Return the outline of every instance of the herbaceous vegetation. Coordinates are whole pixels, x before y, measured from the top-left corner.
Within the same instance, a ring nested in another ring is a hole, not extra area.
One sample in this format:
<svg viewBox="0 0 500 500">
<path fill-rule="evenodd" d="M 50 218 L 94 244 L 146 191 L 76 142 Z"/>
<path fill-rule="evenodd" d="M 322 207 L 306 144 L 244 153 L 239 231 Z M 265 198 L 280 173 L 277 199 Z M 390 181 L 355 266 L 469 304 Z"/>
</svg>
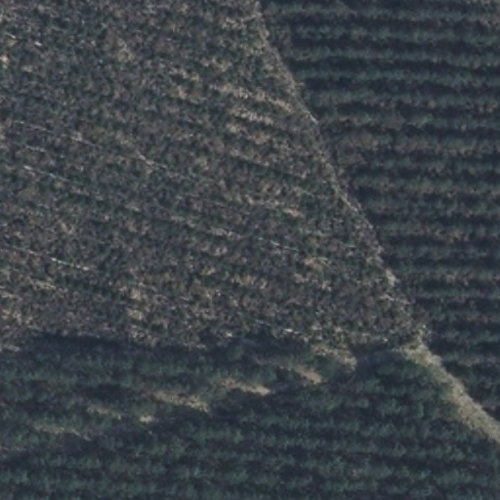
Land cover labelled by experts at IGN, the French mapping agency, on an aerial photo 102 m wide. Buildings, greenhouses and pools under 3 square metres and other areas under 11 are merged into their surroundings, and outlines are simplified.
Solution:
<svg viewBox="0 0 500 500">
<path fill-rule="evenodd" d="M 404 346 L 416 348 L 424 344 L 432 336 L 432 328 L 410 316 L 410 307 L 406 305 L 406 299 L 400 295 L 383 293 L 381 299 L 395 303 L 396 324 L 402 332 L 406 330 L 414 336 L 414 342 L 408 342 Z"/>
<path fill-rule="evenodd" d="M 330 156 L 324 156 L 318 162 L 322 162 L 324 172 L 330 176 L 334 195 L 344 201 L 344 207 L 350 213 L 357 213 L 361 203 L 357 199 L 352 199 L 348 191 L 338 184 Z"/>
<path fill-rule="evenodd" d="M 0 365 L 23 367 L 29 361 L 29 357 L 37 352 L 57 352 L 62 355 L 98 354 L 133 357 L 145 361 L 180 361 L 187 365 L 211 365 L 207 350 L 195 348 L 184 348 L 174 342 L 139 344 L 135 338 L 115 340 L 102 336 L 64 336 L 61 332 L 49 330 L 43 330 L 41 334 L 35 334 L 31 338 L 23 338 L 20 346 L 0 344 Z"/>
<path fill-rule="evenodd" d="M 383 262 L 383 246 L 375 240 L 373 225 L 365 217 L 361 217 L 355 223 L 357 236 L 369 248 L 369 256 L 365 262 L 373 266 Z"/>
<path fill-rule="evenodd" d="M 355 357 L 350 352 L 330 348 L 326 344 L 316 344 L 312 346 L 312 350 L 318 355 L 330 355 L 340 363 L 355 365 Z"/>
<path fill-rule="evenodd" d="M 234 348 L 256 352 L 305 352 L 305 342 L 311 336 L 305 336 L 303 330 L 285 326 L 277 326 L 271 332 L 270 328 L 260 328 L 256 332 L 248 332 L 246 336 L 232 336 L 229 330 L 225 336 L 227 338 L 230 340 L 225 344 L 225 350 L 229 354 Z"/>
</svg>

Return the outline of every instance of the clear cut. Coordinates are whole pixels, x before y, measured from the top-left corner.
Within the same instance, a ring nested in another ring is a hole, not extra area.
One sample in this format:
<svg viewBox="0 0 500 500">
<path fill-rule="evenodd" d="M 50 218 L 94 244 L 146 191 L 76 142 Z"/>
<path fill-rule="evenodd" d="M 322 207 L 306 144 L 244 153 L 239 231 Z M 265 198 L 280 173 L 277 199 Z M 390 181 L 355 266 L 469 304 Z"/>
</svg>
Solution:
<svg viewBox="0 0 500 500">
<path fill-rule="evenodd" d="M 248 20 L 252 20 L 254 29 L 260 35 L 260 39 L 252 45 L 238 41 L 240 29 L 246 29 Z M 330 348 L 350 352 L 354 350 L 355 344 L 363 342 L 385 344 L 389 338 L 402 332 L 396 324 L 395 303 L 381 299 L 383 293 L 400 295 L 396 279 L 395 273 L 391 270 L 383 262 L 373 266 L 365 262 L 369 256 L 369 248 L 357 236 L 355 223 L 361 217 L 365 217 L 365 213 L 369 213 L 371 209 L 367 207 L 367 199 L 361 203 L 357 213 L 350 213 L 344 207 L 344 201 L 334 195 L 330 176 L 324 172 L 322 162 L 318 162 L 324 156 L 330 156 L 324 139 L 320 137 L 320 125 L 316 115 L 301 102 L 293 72 L 283 64 L 279 51 L 271 47 L 268 41 L 270 35 L 260 12 L 260 0 L 0 0 L 0 344 L 20 346 L 23 338 L 31 338 L 35 334 L 41 334 L 43 330 L 49 330 L 61 332 L 64 336 L 102 336 L 115 340 L 135 338 L 139 344 L 174 342 L 184 348 L 195 348 L 199 342 L 199 332 L 203 328 L 211 330 L 219 340 L 227 338 L 225 336 L 229 330 L 232 336 L 246 336 L 248 332 L 256 332 L 260 328 L 270 328 L 271 332 L 277 326 L 285 326 L 303 330 L 305 336 L 311 336 L 305 342 L 305 352 L 312 350 L 312 346 L 316 344 L 326 344 Z"/>
</svg>

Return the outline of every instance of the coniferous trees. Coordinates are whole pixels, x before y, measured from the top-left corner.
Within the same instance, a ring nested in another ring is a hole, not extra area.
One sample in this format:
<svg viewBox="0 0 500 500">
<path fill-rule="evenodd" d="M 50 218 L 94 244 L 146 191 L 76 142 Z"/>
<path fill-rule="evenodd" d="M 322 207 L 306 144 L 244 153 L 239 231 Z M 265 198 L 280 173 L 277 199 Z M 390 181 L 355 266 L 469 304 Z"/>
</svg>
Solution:
<svg viewBox="0 0 500 500">
<path fill-rule="evenodd" d="M 373 92 L 367 88 L 330 88 L 320 92 L 320 104 L 330 100 L 365 100 L 379 105 L 379 113 L 350 113 L 352 123 L 387 123 L 393 125 L 393 129 L 400 125 L 428 123 L 439 127 L 500 129 L 500 119 L 439 117 L 428 113 L 398 115 L 396 104 L 424 102 L 430 107 L 500 107 L 500 96 L 443 94 L 439 98 L 424 92 Z"/>
<path fill-rule="evenodd" d="M 129 369 L 133 357 L 98 354 L 62 355 L 57 352 L 53 355 L 53 361 L 61 363 L 59 371 L 45 367 L 23 367 L 0 365 L 0 379 L 41 379 L 47 383 L 84 387 L 111 385 L 143 389 L 156 395 L 156 391 L 172 391 L 174 387 L 168 383 L 145 381 L 148 373 L 191 375 L 189 383 L 184 383 L 180 387 L 193 395 L 199 396 L 209 404 L 213 398 L 225 398 L 229 393 L 227 377 L 266 387 L 275 379 L 273 373 L 277 369 L 297 369 L 299 365 L 305 365 L 309 369 L 314 369 L 318 355 L 312 350 L 305 352 L 256 352 L 250 357 L 256 363 L 254 371 L 223 369 L 211 365 L 187 365 L 180 361 L 145 361 L 139 373 L 133 377 L 111 377 L 111 369 Z"/>
<path fill-rule="evenodd" d="M 76 406 L 76 396 L 55 395 L 43 391 L 39 400 L 61 402 L 64 408 Z"/>
<path fill-rule="evenodd" d="M 385 344 L 391 348 L 404 346 L 408 342 L 414 342 L 414 336 L 406 330 L 402 332 L 389 338 Z"/>
<path fill-rule="evenodd" d="M 473 287 L 449 287 L 432 289 L 432 297 L 479 297 L 479 289 Z"/>
<path fill-rule="evenodd" d="M 289 6 L 293 14 L 348 16 L 346 4 L 324 6 L 291 2 Z"/>
<path fill-rule="evenodd" d="M 221 490 L 211 486 L 184 488 L 182 484 L 170 484 L 168 494 L 211 500 L 322 500 L 316 496 L 287 498 L 273 494 Z"/>
<path fill-rule="evenodd" d="M 490 12 L 449 12 L 410 8 L 396 10 L 367 6 L 361 8 L 361 16 L 365 18 L 389 16 L 410 20 L 486 23 L 494 16 Z"/>
<path fill-rule="evenodd" d="M 381 189 L 381 195 L 367 199 L 367 207 L 371 209 L 381 211 L 385 207 L 393 207 L 400 209 L 404 215 L 410 215 L 412 223 L 385 223 L 387 232 L 418 232 L 420 215 L 451 215 L 461 211 L 463 203 L 457 201 L 459 191 L 482 193 L 492 191 L 492 187 L 496 186 L 492 182 L 465 182 L 463 170 L 471 174 L 500 172 L 500 139 L 437 139 L 432 135 L 422 135 L 418 139 L 406 135 L 396 137 L 396 150 L 418 150 L 422 146 L 428 152 L 428 160 L 385 160 L 387 168 L 416 168 L 420 170 L 420 174 L 410 180 L 389 180 L 381 174 L 373 176 L 373 186 Z"/>
<path fill-rule="evenodd" d="M 90 426 L 92 430 L 107 430 L 115 418 L 135 418 L 141 422 L 150 422 L 154 412 L 152 404 L 137 404 L 121 396 L 111 400 L 90 398 L 90 418 L 80 420 L 80 416 L 39 414 L 33 432 L 0 430 L 0 445 L 23 447 L 35 443 L 55 443 L 61 434 L 74 432 L 80 426 Z"/>
<path fill-rule="evenodd" d="M 174 475 L 182 479 L 211 477 L 238 482 L 246 479 L 248 482 L 277 484 L 291 488 L 311 484 L 311 477 L 287 479 L 277 475 L 246 473 L 244 469 L 219 471 L 213 467 L 176 467 Z"/>
<path fill-rule="evenodd" d="M 297 395 L 297 402 L 309 408 L 369 406 L 367 398 L 354 400 L 330 395 L 324 398 L 301 391 Z"/>
<path fill-rule="evenodd" d="M 451 254 L 451 246 L 420 244 L 418 256 L 437 258 Z"/>
<path fill-rule="evenodd" d="M 156 484 L 113 482 L 105 477 L 78 479 L 59 475 L 51 477 L 45 473 L 29 475 L 23 471 L 0 471 L 0 482 L 10 480 L 45 486 L 41 496 L 25 494 L 23 500 L 78 500 L 82 488 L 104 488 L 107 492 L 139 494 L 154 492 Z"/>
<path fill-rule="evenodd" d="M 437 305 L 430 307 L 432 314 L 436 314 L 437 318 L 477 318 L 482 322 L 500 322 L 500 311 L 447 309 Z"/>
<path fill-rule="evenodd" d="M 412 72 L 377 68 L 301 68 L 307 78 L 437 82 L 445 86 L 469 82 L 500 86 L 500 76 L 430 70 Z"/>
<path fill-rule="evenodd" d="M 500 43 L 500 33 L 486 35 L 465 31 L 467 43 Z"/>
<path fill-rule="evenodd" d="M 463 385 L 500 385 L 500 375 L 463 373 L 459 379 Z"/>
<path fill-rule="evenodd" d="M 344 146 L 369 146 L 371 150 L 375 150 L 377 146 L 391 143 L 391 135 L 365 133 L 352 137 L 350 133 L 346 133 L 346 137 L 342 139 Z"/>
<path fill-rule="evenodd" d="M 445 281 L 449 277 L 500 279 L 500 270 L 475 266 L 430 268 L 416 264 L 396 264 L 391 270 L 395 273 L 396 279 L 402 275 L 445 277 Z"/>
<path fill-rule="evenodd" d="M 467 256 L 500 258 L 500 246 L 467 248 Z"/>
<path fill-rule="evenodd" d="M 477 344 L 500 342 L 500 332 L 477 332 L 473 336 L 473 342 Z"/>
<path fill-rule="evenodd" d="M 381 393 L 385 398 L 381 408 L 387 412 L 404 412 L 404 406 L 396 402 L 396 398 L 398 395 L 410 395 L 414 400 L 416 416 L 430 416 L 432 420 L 459 418 L 457 404 L 451 400 L 451 387 L 434 381 L 428 365 L 414 363 L 406 357 L 402 363 L 385 365 L 387 373 L 395 373 L 402 377 L 420 377 L 420 389 L 408 385 L 383 385 L 371 379 L 346 377 L 342 383 L 346 389 L 352 391 Z"/>
<path fill-rule="evenodd" d="M 500 354 L 447 352 L 439 355 L 443 365 L 449 361 L 500 365 Z"/>
<path fill-rule="evenodd" d="M 312 467 L 316 471 L 344 469 L 340 451 L 361 451 L 363 461 L 359 463 L 361 473 L 357 475 L 357 479 L 324 480 L 324 490 L 375 490 L 379 480 L 393 475 L 420 480 L 420 488 L 416 488 L 412 494 L 414 498 L 428 498 L 441 482 L 447 488 L 447 496 L 453 500 L 500 500 L 500 494 L 459 492 L 457 482 L 479 482 L 492 486 L 500 484 L 500 475 L 469 473 L 461 469 L 437 473 L 428 469 L 373 465 L 369 463 L 369 459 L 373 453 L 396 457 L 449 457 L 490 463 L 500 467 L 500 443 L 490 439 L 482 430 L 471 430 L 469 426 L 465 426 L 463 430 L 443 428 L 439 432 L 439 443 L 434 447 L 402 447 L 398 443 L 377 445 L 379 439 L 387 434 L 414 436 L 414 426 L 379 422 L 367 424 L 365 420 L 334 418 L 309 420 L 303 416 L 271 412 L 268 414 L 244 410 L 236 416 L 238 422 L 262 422 L 287 428 L 301 426 L 316 430 L 328 428 L 338 430 L 342 439 L 285 437 L 258 432 L 238 432 L 232 428 L 211 428 L 186 422 L 174 434 L 174 439 L 152 443 L 139 441 L 133 443 L 133 451 L 127 459 L 121 459 L 115 449 L 115 439 L 111 437 L 105 441 L 105 457 L 43 453 L 33 455 L 29 461 L 33 465 L 49 463 L 84 469 L 109 467 L 113 471 L 164 473 L 164 467 L 160 463 L 150 463 L 154 455 L 191 455 L 256 461 L 256 451 L 230 451 L 219 447 L 205 447 L 205 439 L 252 439 L 268 445 L 330 449 L 330 459 L 305 459 L 305 467 Z"/>
<path fill-rule="evenodd" d="M 0 406 L 0 418 L 25 422 L 27 412 Z"/>
<path fill-rule="evenodd" d="M 389 27 L 352 29 L 340 25 L 299 25 L 299 33 L 303 37 L 309 35 L 336 39 L 340 35 L 350 35 L 357 39 L 373 37 L 400 41 L 455 39 L 453 29 L 408 31 Z"/>
<path fill-rule="evenodd" d="M 373 51 L 369 47 L 312 47 L 314 59 L 350 57 L 445 61 L 449 64 L 500 64 L 500 55 L 453 55 L 443 51 L 393 49 Z"/>
</svg>

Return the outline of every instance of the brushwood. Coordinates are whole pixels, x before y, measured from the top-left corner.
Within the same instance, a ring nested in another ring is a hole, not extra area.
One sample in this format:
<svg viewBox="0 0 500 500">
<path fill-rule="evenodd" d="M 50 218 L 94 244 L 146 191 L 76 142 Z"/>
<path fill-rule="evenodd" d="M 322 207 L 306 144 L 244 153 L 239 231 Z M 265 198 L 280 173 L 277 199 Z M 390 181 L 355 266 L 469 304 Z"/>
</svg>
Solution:
<svg viewBox="0 0 500 500">
<path fill-rule="evenodd" d="M 402 275 L 396 279 L 400 295 L 406 299 L 406 305 L 410 307 L 410 316 L 432 328 L 432 336 L 424 344 L 430 348 L 432 354 L 439 355 L 447 352 L 500 354 L 500 342 L 477 344 L 473 342 L 473 336 L 477 332 L 500 332 L 500 322 L 482 322 L 477 318 L 437 318 L 436 314 L 432 314 L 430 307 L 437 305 L 447 309 L 500 311 L 500 279 L 449 277 L 445 281 L 445 277 Z M 479 297 L 432 297 L 432 289 L 449 287 L 473 287 L 479 289 Z"/>
<path fill-rule="evenodd" d="M 381 365 L 371 379 L 383 385 L 408 385 L 420 389 L 420 377 L 402 377 L 395 373 L 387 373 L 385 365 Z"/>
<path fill-rule="evenodd" d="M 59 371 L 61 363 L 53 361 L 53 355 L 57 352 L 37 352 L 29 357 L 29 361 L 23 367 L 45 367 Z"/>
<path fill-rule="evenodd" d="M 51 477 L 59 475 L 78 479 L 105 477 L 113 482 L 156 484 L 154 492 L 139 494 L 107 492 L 104 488 L 82 488 L 78 500 L 211 500 L 168 494 L 170 484 L 182 484 L 184 488 L 211 486 L 221 490 L 273 494 L 287 498 L 316 496 L 322 500 L 453 500 L 447 496 L 447 488 L 441 482 L 428 498 L 414 498 L 412 494 L 416 488 L 420 488 L 420 480 L 393 475 L 379 480 L 375 490 L 324 490 L 324 480 L 357 479 L 357 475 L 361 473 L 359 463 L 363 461 L 361 451 L 340 451 L 344 469 L 316 471 L 312 467 L 305 467 L 305 459 L 330 459 L 330 449 L 268 445 L 252 439 L 205 439 L 205 447 L 219 447 L 230 451 L 256 451 L 256 461 L 191 455 L 154 455 L 150 463 L 160 463 L 164 467 L 164 473 L 113 471 L 109 467 L 84 469 L 49 463 L 33 465 L 29 461 L 23 471 L 29 475 L 45 473 Z M 277 475 L 287 479 L 311 477 L 311 484 L 291 488 L 277 484 L 248 482 L 246 479 L 238 482 L 211 477 L 182 479 L 174 475 L 176 467 L 213 467 L 219 471 L 244 469 L 246 473 Z"/>
<path fill-rule="evenodd" d="M 240 29 L 238 41 L 252 45 L 260 39 L 260 35 L 254 29 L 252 20 L 248 20 L 246 29 Z"/>
<path fill-rule="evenodd" d="M 328 428 L 316 430 L 301 426 L 287 428 L 262 422 L 238 422 L 232 428 L 238 432 L 258 432 L 285 437 L 342 439 L 338 430 Z"/>
<path fill-rule="evenodd" d="M 373 465 L 428 469 L 437 473 L 461 469 L 469 473 L 500 475 L 500 467 L 490 463 L 449 457 L 396 457 L 373 453 L 369 459 L 369 463 Z"/>
<path fill-rule="evenodd" d="M 334 373 L 340 363 L 330 355 L 318 355 L 314 369 L 322 379 L 328 373 Z"/>
<path fill-rule="evenodd" d="M 178 389 L 178 396 L 193 395 L 180 387 L 184 383 L 189 383 L 191 375 L 148 373 L 145 381 L 168 383 L 174 387 Z"/>
<path fill-rule="evenodd" d="M 500 385 L 463 385 L 467 395 L 477 400 L 484 412 L 488 408 L 500 406 Z"/>
<path fill-rule="evenodd" d="M 61 402 L 39 400 L 43 391 L 55 395 L 76 396 L 76 406 L 64 408 Z M 176 404 L 164 402 L 156 398 L 156 395 L 143 389 L 111 385 L 84 387 L 47 383 L 41 379 L 0 379 L 0 406 L 27 412 L 25 422 L 0 418 L 0 430 L 33 432 L 39 414 L 80 416 L 80 420 L 90 418 L 90 398 L 111 400 L 121 396 L 137 404 L 152 404 L 154 412 L 172 412 L 176 408 Z"/>
<path fill-rule="evenodd" d="M 115 439 L 115 449 L 121 459 L 127 459 L 133 451 L 133 443 L 139 441 L 135 436 Z"/>
<path fill-rule="evenodd" d="M 0 482 L 0 500 L 23 500 L 25 494 L 41 496 L 45 486 L 10 480 Z"/>
<path fill-rule="evenodd" d="M 424 102 L 396 104 L 398 115 L 428 113 L 439 117 L 500 119 L 500 107 L 430 107 Z"/>
<path fill-rule="evenodd" d="M 463 373 L 500 375 L 500 365 L 449 361 L 443 365 L 449 373 L 453 373 L 459 379 Z"/>
<path fill-rule="evenodd" d="M 324 6 L 346 4 L 348 16 L 293 14 L 289 6 L 291 2 Z M 396 10 L 410 8 L 449 12 L 490 12 L 494 16 L 486 23 L 410 20 L 389 16 L 365 18 L 361 16 L 361 8 L 367 6 Z M 268 41 L 271 47 L 279 51 L 283 64 L 293 72 L 301 102 L 316 115 L 320 125 L 320 137 L 324 139 L 330 156 L 338 184 L 348 191 L 352 199 L 357 199 L 361 203 L 367 199 L 381 195 L 381 189 L 373 186 L 373 176 L 381 174 L 389 180 L 410 180 L 420 174 L 420 170 L 416 168 L 387 168 L 385 160 L 428 160 L 428 152 L 422 146 L 418 150 L 396 150 L 396 137 L 406 135 L 418 139 L 422 135 L 432 135 L 437 139 L 500 139 L 500 129 L 439 127 L 428 123 L 400 125 L 393 129 L 393 125 L 387 123 L 352 123 L 350 113 L 379 113 L 379 105 L 365 100 L 330 100 L 320 104 L 320 92 L 330 88 L 367 88 L 373 92 L 424 92 L 439 98 L 443 94 L 500 96 L 500 86 L 469 82 L 445 86 L 437 82 L 307 78 L 301 68 L 377 68 L 412 72 L 430 70 L 500 76 L 500 64 L 449 64 L 445 61 L 350 57 L 314 59 L 312 47 L 369 47 L 373 51 L 393 49 L 443 51 L 453 55 L 500 55 L 500 43 L 467 43 L 465 31 L 486 35 L 500 33 L 500 0 L 260 0 L 260 12 L 270 35 Z M 400 41 L 373 37 L 357 39 L 350 35 L 340 35 L 336 39 L 309 35 L 303 37 L 299 33 L 299 25 L 340 25 L 352 29 L 389 27 L 408 31 L 453 29 L 455 39 Z M 350 133 L 352 137 L 365 133 L 391 135 L 391 143 L 377 146 L 375 150 L 371 150 L 369 146 L 344 146 L 342 139 L 346 137 L 346 133 Z"/>
<path fill-rule="evenodd" d="M 479 482 L 457 482 L 459 492 L 500 494 L 500 484 L 492 486 Z"/>
<path fill-rule="evenodd" d="M 254 371 L 256 363 L 250 357 L 256 352 L 234 348 L 229 354 L 225 350 L 225 344 L 230 340 L 227 338 L 219 340 L 211 330 L 203 328 L 199 332 L 199 342 L 195 348 L 207 350 L 211 365 L 223 369 Z"/>
<path fill-rule="evenodd" d="M 398 395 L 396 398 L 396 402 L 404 406 L 404 412 L 387 412 L 381 408 L 385 398 L 381 393 L 352 391 L 346 389 L 342 383 L 334 381 L 334 387 L 330 391 L 320 389 L 316 383 L 311 383 L 303 385 L 301 391 L 324 398 L 330 395 L 354 400 L 367 398 L 369 406 L 309 408 L 297 402 L 297 395 L 287 393 L 281 396 L 277 404 L 271 408 L 271 412 L 303 416 L 309 420 L 334 418 L 365 420 L 367 424 L 379 422 L 414 426 L 414 436 L 387 434 L 379 439 L 377 445 L 398 443 L 402 447 L 434 447 L 439 443 L 439 432 L 443 428 L 463 430 L 465 426 L 459 418 L 432 420 L 430 416 L 416 416 L 414 400 L 410 395 Z"/>
<path fill-rule="evenodd" d="M 111 369 L 111 377 L 133 377 L 139 373 L 145 361 L 133 357 L 129 369 Z"/>
<path fill-rule="evenodd" d="M 365 217 L 373 225 L 375 240 L 383 246 L 383 262 L 391 270 L 396 264 L 416 264 L 430 268 L 475 266 L 500 270 L 500 258 L 467 256 L 467 248 L 500 246 L 500 172 L 471 174 L 463 170 L 465 182 L 492 182 L 496 186 L 492 187 L 492 191 L 482 193 L 459 191 L 457 201 L 463 203 L 461 211 L 451 215 L 420 215 L 418 232 L 387 232 L 385 223 L 412 223 L 410 215 L 404 215 L 400 209 L 393 207 L 385 207 L 381 211 L 371 209 L 369 213 L 365 213 Z M 451 246 L 451 254 L 437 258 L 418 256 L 420 244 Z"/>
</svg>

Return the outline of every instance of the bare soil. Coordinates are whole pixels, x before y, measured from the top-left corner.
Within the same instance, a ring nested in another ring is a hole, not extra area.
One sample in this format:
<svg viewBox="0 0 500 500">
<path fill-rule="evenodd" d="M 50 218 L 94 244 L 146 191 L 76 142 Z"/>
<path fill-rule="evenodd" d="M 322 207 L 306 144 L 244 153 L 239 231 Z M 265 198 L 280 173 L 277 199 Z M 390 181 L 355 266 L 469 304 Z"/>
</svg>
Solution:
<svg viewBox="0 0 500 500">
<path fill-rule="evenodd" d="M 135 436 L 139 441 L 152 443 L 174 439 L 174 434 L 186 422 L 211 428 L 232 428 L 238 422 L 236 416 L 244 410 L 268 414 L 271 412 L 271 408 L 277 404 L 281 396 L 287 393 L 297 395 L 301 391 L 303 385 L 311 383 L 316 383 L 320 389 L 330 391 L 334 387 L 334 381 L 342 383 L 346 377 L 371 379 L 381 365 L 385 365 L 402 363 L 406 357 L 414 363 L 428 365 L 434 381 L 451 387 L 451 400 L 457 404 L 459 418 L 465 426 L 469 426 L 471 430 L 482 430 L 490 439 L 500 443 L 500 406 L 488 408 L 484 412 L 477 400 L 467 395 L 463 385 L 459 379 L 453 373 L 449 373 L 443 365 L 439 355 L 432 354 L 430 348 L 424 344 L 416 348 L 404 346 L 391 348 L 385 344 L 363 342 L 355 344 L 354 350 L 350 352 L 355 357 L 355 365 L 340 363 L 334 373 L 328 373 L 322 379 L 314 369 L 309 369 L 305 365 L 299 365 L 297 369 L 277 369 L 273 373 L 275 379 L 266 387 L 227 377 L 229 393 L 225 398 L 213 398 L 209 404 L 199 396 L 193 395 L 178 396 L 178 389 L 174 387 L 172 391 L 156 391 L 156 395 L 156 398 L 164 402 L 176 404 L 176 408 L 172 412 L 154 412 L 150 422 L 141 422 L 135 418 L 115 418 L 107 430 L 92 430 L 90 426 L 80 426 L 74 432 L 61 434 L 55 443 L 35 443 L 23 447 L 0 445 L 0 471 L 23 471 L 29 461 L 33 455 L 43 453 L 105 457 L 105 441 L 111 437 L 115 439 Z"/>
</svg>

